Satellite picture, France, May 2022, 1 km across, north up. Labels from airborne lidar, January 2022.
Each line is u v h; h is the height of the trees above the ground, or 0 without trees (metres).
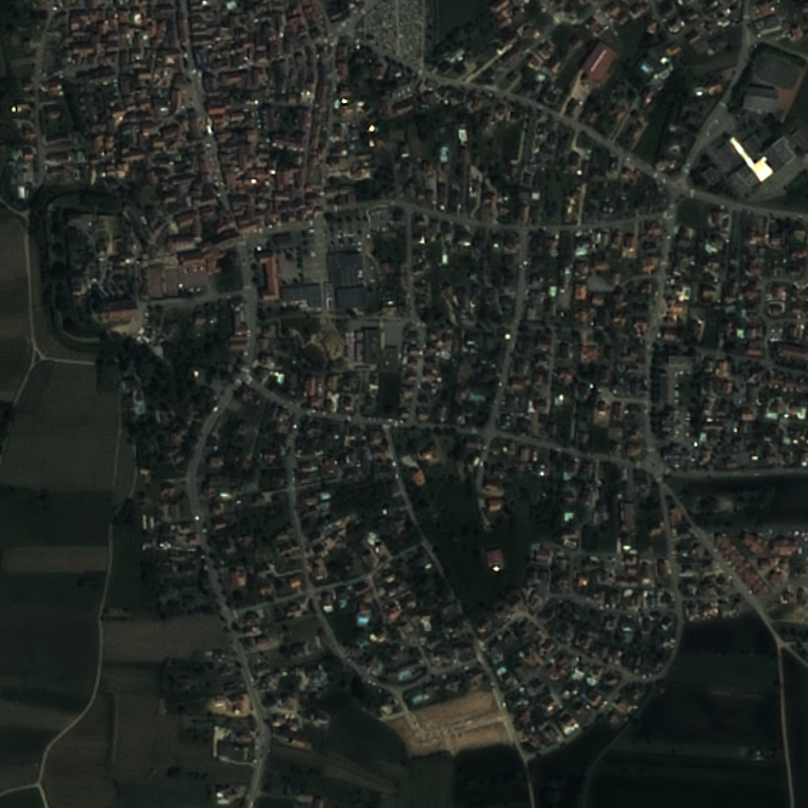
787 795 0
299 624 0
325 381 0
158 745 0
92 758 0
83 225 0
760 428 9
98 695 0
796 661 0
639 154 0
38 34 0
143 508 0
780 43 0
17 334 0
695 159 0
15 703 0
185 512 0
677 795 0
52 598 0
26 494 0
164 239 0
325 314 0
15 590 0
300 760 0
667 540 0
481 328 11
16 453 0
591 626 8
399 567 6
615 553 0
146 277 0
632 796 0
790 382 0
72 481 0
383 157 0
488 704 0
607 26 0
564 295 0
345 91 0
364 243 0
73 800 0
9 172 0
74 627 0
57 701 0
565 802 0
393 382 0
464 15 0
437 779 0
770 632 0
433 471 0
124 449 0
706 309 0
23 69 0
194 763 0
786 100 0
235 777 0
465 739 0
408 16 0
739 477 0
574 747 0
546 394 0
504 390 0
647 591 0
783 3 0
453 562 0
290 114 0
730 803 0
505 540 0
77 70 0
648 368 0
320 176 0
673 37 0
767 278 0
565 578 9
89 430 0
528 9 0
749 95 0
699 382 5
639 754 0
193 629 0
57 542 0
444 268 0
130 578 0
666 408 0
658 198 0
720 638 0
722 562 0
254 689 0
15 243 0
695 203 0
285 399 0
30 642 0
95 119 0
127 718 0
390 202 0
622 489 0
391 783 0
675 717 0
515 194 5
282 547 8
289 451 0
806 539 0
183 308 0
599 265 0
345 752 0
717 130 0
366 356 0
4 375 0
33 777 0
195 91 0
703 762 0
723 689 0
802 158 0
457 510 0
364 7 0
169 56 0
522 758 0
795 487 0
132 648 0
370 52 8
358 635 6
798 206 0
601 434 0
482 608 9
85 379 0
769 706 0
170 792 0
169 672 0
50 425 0
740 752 0
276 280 0
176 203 0
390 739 0
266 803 0
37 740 0
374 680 0
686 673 0
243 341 0
